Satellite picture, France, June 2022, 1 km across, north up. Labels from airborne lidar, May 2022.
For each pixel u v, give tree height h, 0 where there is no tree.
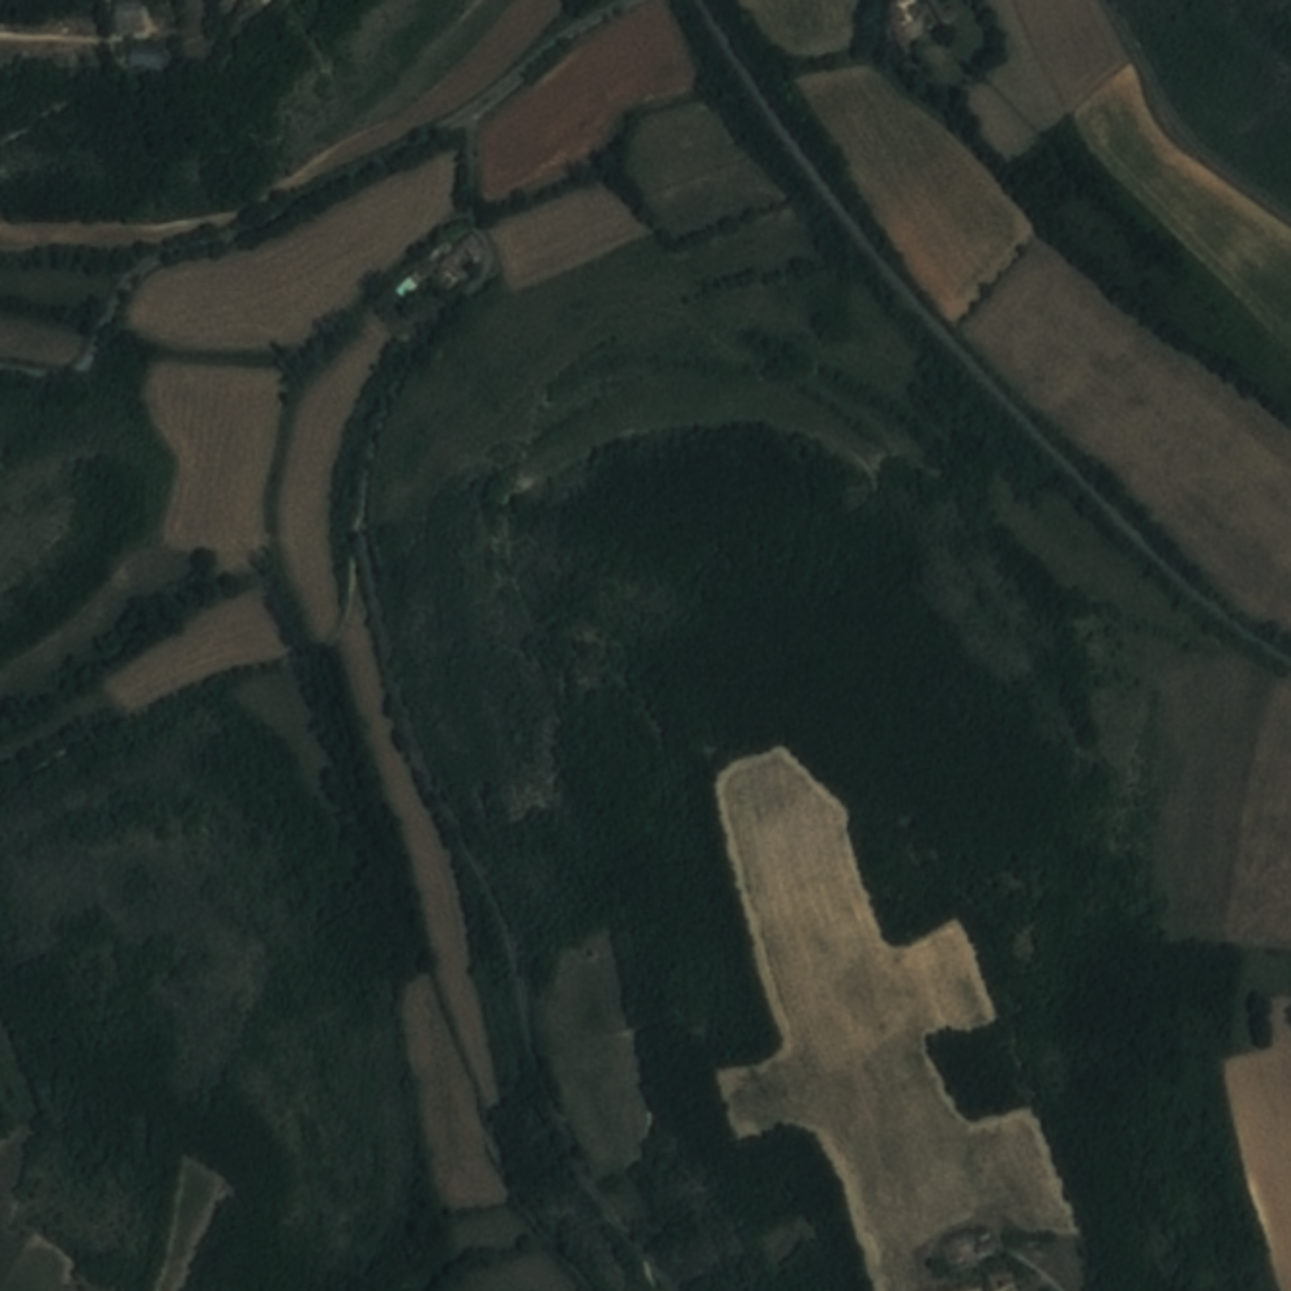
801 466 7
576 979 0
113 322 9
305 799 22
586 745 11
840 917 0
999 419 12
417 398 0
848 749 11
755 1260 10
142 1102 14
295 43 24
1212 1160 7
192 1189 0
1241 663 0
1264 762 0
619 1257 16
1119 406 0
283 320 0
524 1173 13
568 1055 0
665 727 11
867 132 0
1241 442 0
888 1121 0
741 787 0
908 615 9
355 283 0
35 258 19
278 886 8
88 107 14
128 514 14
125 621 15
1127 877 12
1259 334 0
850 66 0
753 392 0
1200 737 0
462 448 0
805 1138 12
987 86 0
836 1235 13
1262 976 0
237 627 0
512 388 0
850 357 0
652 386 0
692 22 15
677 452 9
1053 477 10
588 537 8
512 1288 0
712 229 13
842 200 9
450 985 0
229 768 9
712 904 11
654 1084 19
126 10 0
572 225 0
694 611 8
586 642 6
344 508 11
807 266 18
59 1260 0
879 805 10
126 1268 6
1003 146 0
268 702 0
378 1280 11
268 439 0
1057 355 0
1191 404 0
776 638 11
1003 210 0
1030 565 17
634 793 8
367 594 6
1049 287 0
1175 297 0
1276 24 8
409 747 13
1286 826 0
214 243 15
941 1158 0
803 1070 0
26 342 0
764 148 11
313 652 30
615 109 0
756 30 14
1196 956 17
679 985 8
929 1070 0
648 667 7
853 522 8
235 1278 12
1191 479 0
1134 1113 12
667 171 0
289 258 0
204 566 19
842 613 13
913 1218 0
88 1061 13
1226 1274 8
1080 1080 10
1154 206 0
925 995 0
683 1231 13
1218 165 0
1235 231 0
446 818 10
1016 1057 8
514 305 0
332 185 13
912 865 8
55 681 10
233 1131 14
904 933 11
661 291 0
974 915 13
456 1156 0
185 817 10
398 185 0
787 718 11
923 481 15
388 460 0
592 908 8
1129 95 0
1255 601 0
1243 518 0
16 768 14
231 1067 8
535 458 0
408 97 0
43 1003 12
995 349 0
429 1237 7
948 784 16
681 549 12
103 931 10
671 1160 6
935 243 0
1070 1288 0
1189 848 0
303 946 7
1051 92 0
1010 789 11
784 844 0
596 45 0
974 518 7
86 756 10
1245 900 0
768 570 11
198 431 0
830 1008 0
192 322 0
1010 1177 0
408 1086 11
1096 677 9
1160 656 0
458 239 9
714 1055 12
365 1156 8
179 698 6
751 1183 13
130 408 7
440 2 0
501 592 7
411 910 8
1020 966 13
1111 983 17
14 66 9
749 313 0
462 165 14
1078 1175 14
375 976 19
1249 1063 0
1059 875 9
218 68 12
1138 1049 16
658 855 10
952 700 7
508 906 7
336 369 0
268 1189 11
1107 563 0
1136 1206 9
